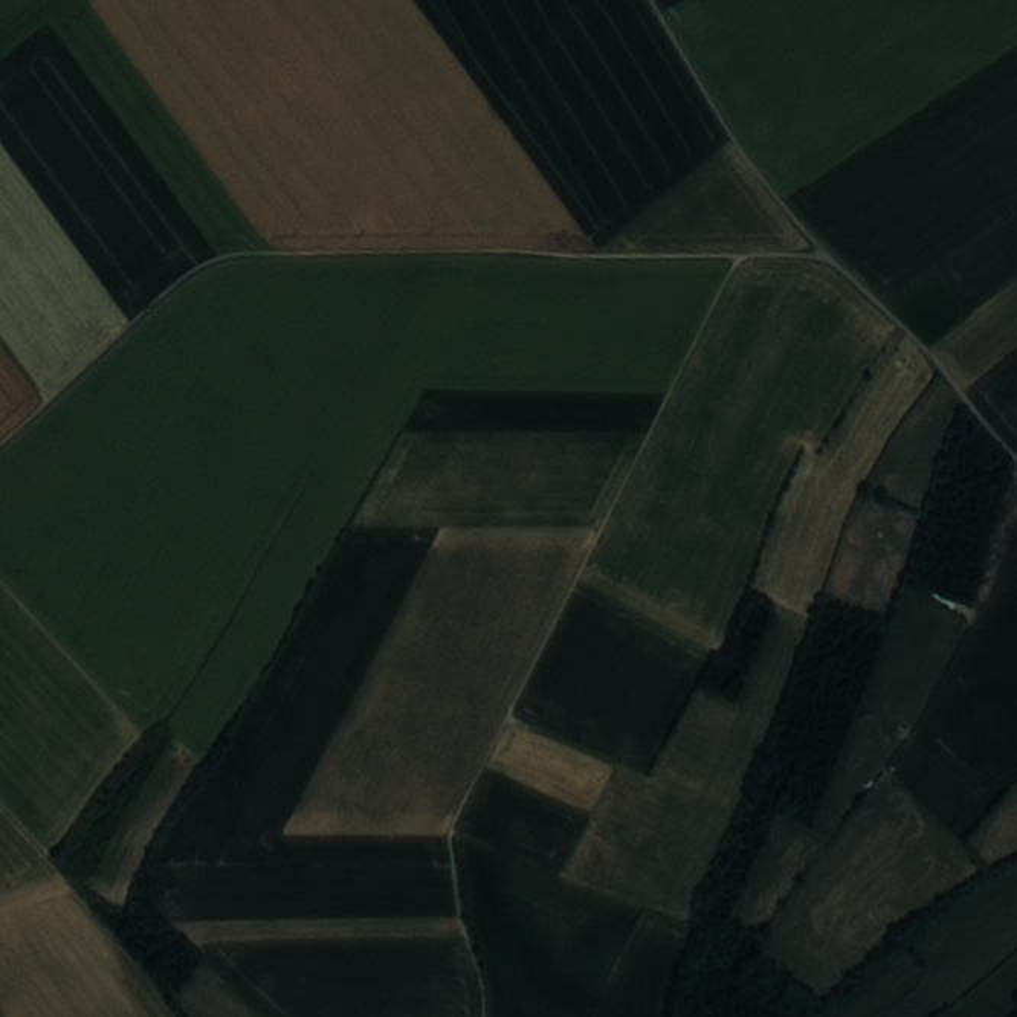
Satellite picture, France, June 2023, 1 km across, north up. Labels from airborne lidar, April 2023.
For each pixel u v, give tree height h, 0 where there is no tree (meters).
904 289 0
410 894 0
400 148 0
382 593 0
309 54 0
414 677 0
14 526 0
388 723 0
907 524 0
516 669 0
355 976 0
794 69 0
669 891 0
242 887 0
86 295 0
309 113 0
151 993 0
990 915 0
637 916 0
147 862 8
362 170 0
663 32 0
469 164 0
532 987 0
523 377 0
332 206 0
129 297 0
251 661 0
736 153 0
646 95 0
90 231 0
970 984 0
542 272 0
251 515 0
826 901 0
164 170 0
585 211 0
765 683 0
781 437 0
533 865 0
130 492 0
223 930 0
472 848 0
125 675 0
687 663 0
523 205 0
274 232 0
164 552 0
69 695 0
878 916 0
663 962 0
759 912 0
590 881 0
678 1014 18
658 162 0
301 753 0
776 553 0
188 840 0
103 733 0
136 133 0
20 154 0
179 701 0
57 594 0
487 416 0
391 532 0
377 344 0
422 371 0
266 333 0
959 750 0
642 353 0
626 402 0
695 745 0
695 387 0
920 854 0
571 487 0
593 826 0
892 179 0
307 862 0
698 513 0
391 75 0
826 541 0
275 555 0
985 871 8
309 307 0
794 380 0
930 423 0
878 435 0
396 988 0
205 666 0
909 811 0
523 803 0
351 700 0
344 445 0
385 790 0
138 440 0
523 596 0
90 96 0
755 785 24
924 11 0
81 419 0
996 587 0
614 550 0
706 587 0
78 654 0
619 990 0
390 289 0
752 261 0
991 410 0
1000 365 0
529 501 0
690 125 0
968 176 0
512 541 0
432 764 0
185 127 0
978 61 0
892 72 0
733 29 0
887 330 0
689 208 0
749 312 0
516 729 0
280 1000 0
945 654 0
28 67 0
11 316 0
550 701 0
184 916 0
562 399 0
